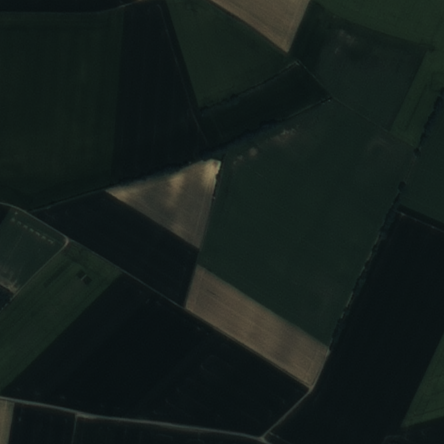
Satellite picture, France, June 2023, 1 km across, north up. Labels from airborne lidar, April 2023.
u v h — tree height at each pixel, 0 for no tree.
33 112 0
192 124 0
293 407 0
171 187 0
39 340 0
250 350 0
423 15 0
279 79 0
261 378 0
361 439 0
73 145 0
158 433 0
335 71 0
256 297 0
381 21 0
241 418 0
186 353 0
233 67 0
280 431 0
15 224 0
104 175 0
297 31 0
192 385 0
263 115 0
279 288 0
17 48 0
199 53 0
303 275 0
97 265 0
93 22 0
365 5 0
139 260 0
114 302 0
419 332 0
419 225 0
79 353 0
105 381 0
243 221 0
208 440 0
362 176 0
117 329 0
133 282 0
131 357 0
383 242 0
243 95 6
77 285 0
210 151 14
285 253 0
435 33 0
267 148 0
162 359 0
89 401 0
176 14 0
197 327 0
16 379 0
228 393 0
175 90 0
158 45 0
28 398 0
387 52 0
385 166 0
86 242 0
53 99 0
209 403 0
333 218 0
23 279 0
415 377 0
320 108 0
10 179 0
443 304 0
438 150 0
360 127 0
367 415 0
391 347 0
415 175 0
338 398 0
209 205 0
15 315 0
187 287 0
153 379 0
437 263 0
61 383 0
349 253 0
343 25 0
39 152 0
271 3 0
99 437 0
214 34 0
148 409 0
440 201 0
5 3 0
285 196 0
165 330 0
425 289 0
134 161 0
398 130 0
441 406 0
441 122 0
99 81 0
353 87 0
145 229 0
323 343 0
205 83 0
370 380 0
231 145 7
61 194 0
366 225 0
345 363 0
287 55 0
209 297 0
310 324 0
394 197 0
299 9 0
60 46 0
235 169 0
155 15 0
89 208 0
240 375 0
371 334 0
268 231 0
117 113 0
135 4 0
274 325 0
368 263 7
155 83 0
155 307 0
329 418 0
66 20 0
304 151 0
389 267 0
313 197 0
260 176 0
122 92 0
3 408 0
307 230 0
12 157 0
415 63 0
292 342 0
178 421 0
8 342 0
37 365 0
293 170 0
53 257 0
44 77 0
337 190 0
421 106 0
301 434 0
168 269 0
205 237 0
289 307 0
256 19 0
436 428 0
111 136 0
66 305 0
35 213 0
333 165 0
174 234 0
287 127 0
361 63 0
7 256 0
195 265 0
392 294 0
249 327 0
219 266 0
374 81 0
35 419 0
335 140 0
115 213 0
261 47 0
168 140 0
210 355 0
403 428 0
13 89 0
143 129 0
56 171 0
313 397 0
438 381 0
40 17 0
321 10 0
